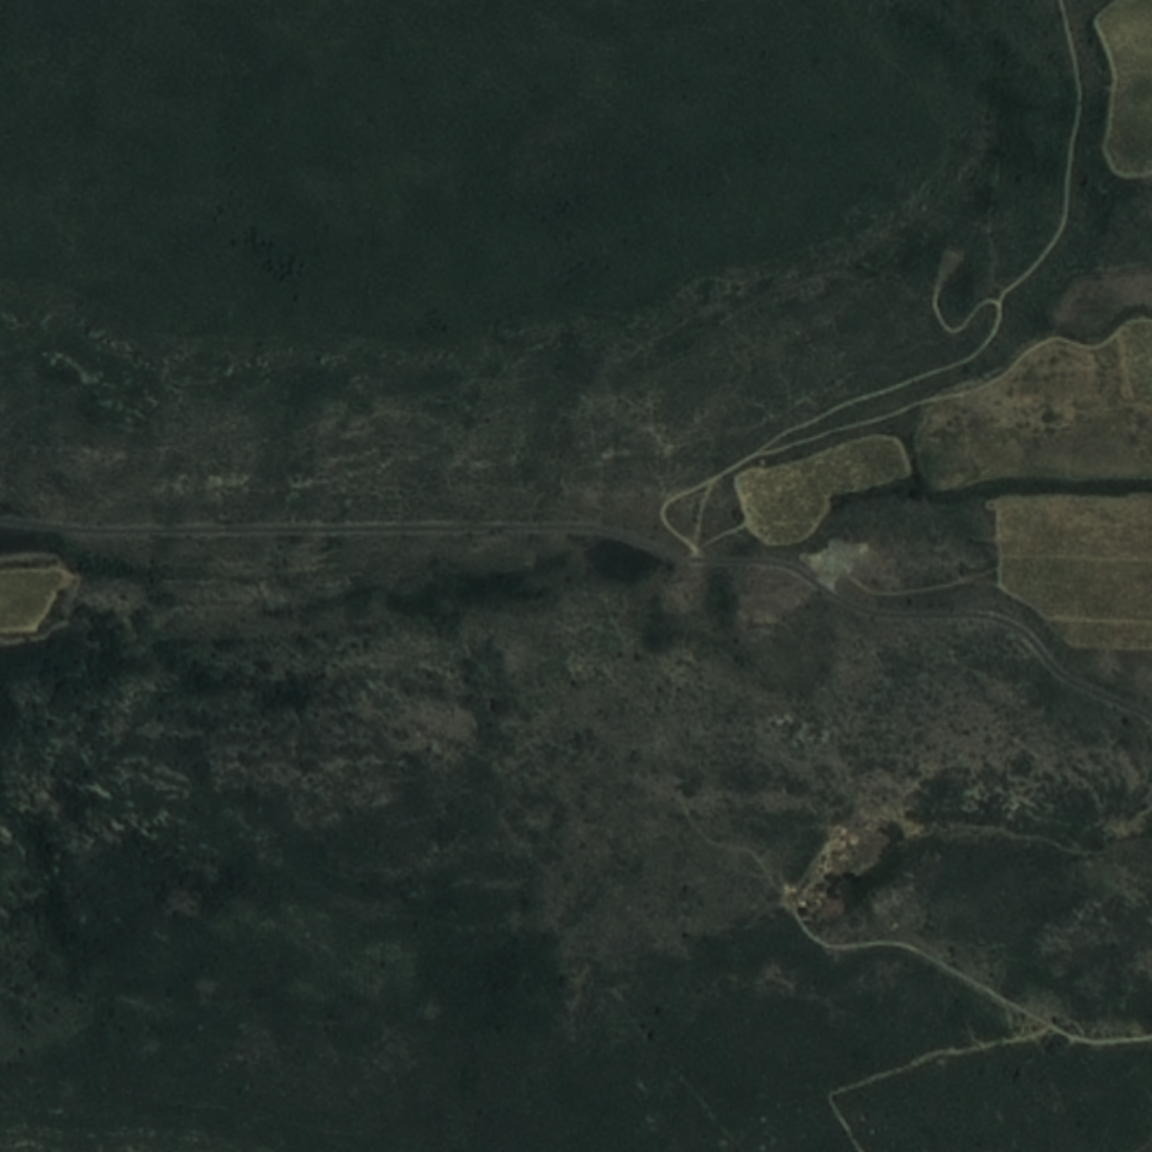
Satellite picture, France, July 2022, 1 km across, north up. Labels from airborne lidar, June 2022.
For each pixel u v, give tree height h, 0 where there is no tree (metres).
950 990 0
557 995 0
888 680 0
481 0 0
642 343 0
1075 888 0
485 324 0
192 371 0
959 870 0
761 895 0
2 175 0
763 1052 0
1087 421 0
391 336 0
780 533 0
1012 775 0
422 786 0
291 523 0
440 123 0
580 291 0
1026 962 0
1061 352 0
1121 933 0
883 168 0
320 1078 0
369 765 0
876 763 0
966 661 0
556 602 0
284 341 0
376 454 0
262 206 0
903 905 0
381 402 0
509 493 0
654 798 0
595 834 0
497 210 0
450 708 0
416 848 0
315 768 0
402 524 0
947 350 0
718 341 0
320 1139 0
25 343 0
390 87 0
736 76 0
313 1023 0
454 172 0
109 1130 0
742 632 0
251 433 0
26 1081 0
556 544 0
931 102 0
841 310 0
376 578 0
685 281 0
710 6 0
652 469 0
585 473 0
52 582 0
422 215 0
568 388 0
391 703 0
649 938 0
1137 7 0
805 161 0
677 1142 0
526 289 0
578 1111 0
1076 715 0
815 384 0
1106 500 0
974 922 0
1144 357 0
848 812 0
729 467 0
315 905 0
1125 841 0
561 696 0
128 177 0
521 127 0
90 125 0
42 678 6
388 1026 0
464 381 0
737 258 0
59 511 0
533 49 0
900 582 0
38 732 6
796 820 0
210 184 0
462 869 0
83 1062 0
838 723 0
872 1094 0
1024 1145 0
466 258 0
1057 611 0
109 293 0
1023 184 11
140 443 0
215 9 0
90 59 0
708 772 0
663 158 0
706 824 0
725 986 0
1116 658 0
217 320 0
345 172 0
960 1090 0
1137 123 0
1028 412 0
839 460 0
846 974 0
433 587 0
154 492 0
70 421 0
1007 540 0
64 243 0
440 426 0
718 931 0
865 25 0
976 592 0
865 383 0
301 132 0
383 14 0
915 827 0
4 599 0
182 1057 0
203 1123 0
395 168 0
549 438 0
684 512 0
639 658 7
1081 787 0
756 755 0
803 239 0
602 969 0
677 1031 0
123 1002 0
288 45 0
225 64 0
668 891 0
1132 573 0
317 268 0
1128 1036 0
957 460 0
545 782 0
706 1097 0
